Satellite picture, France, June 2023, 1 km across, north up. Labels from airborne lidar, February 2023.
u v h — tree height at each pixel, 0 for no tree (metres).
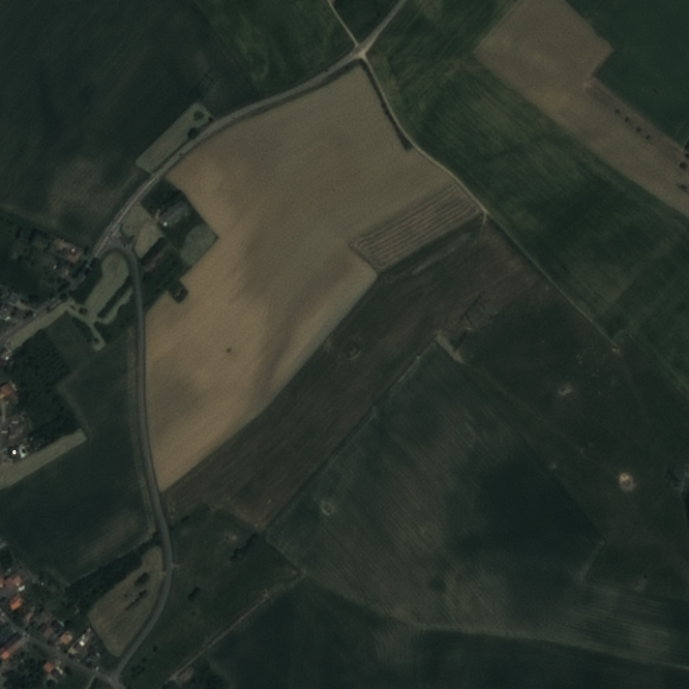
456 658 0
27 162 0
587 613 0
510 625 0
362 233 0
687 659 0
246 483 0
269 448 0
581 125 0
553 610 0
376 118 0
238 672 0
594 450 0
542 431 0
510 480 0
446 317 0
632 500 0
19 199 0
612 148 0
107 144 0
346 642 0
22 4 0
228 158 0
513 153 0
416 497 0
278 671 0
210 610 0
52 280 11
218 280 0
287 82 0
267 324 0
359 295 0
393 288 0
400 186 0
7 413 0
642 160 0
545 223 0
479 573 0
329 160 0
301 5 0
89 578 5
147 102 0
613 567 0
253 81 0
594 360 0
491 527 0
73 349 0
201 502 0
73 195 0
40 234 12
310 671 0
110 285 0
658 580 0
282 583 0
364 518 0
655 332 0
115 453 0
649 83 0
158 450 0
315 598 0
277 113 0
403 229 0
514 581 0
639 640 0
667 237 0
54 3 0
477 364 0
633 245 0
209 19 0
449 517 0
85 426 0
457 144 0
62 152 0
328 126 0
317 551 0
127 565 9
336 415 0
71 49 0
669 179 0
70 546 0
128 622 0
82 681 0
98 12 0
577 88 0
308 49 0
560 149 0
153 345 0
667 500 0
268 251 0
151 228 0
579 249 0
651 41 0
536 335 0
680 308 0
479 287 0
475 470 0
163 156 0
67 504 0
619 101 0
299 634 0
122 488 0
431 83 0
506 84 0
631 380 0
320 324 0
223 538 0
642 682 0
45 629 0
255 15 0
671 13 0
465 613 0
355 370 0
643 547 0
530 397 0
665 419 0
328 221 0
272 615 0
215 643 0
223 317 0
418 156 0
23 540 0
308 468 0
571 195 0
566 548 0
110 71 0
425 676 0
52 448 0
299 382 0
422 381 0
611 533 0
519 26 0
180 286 0
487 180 0
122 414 0
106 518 0
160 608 0
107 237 0
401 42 0
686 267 0
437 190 0
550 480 0
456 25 0
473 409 0
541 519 0
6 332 0
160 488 0
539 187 0
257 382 0
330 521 0
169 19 0
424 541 0
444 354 0
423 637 0
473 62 0
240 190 0
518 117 0
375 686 0
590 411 0
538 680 0
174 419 0
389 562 0
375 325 0
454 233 0
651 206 0
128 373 0
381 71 0
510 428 0
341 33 0
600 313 0
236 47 0
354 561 0
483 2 0
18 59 0
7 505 0
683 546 0
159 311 0
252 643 0
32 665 7
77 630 0
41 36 0
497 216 0
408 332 0
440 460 0
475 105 0
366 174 0
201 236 0
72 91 0
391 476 0
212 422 0
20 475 0
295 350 0
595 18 0
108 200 0
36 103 0
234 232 0
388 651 0
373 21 0
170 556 0
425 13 0
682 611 0
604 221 0
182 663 0
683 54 0
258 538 8
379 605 0
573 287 0
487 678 0
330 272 0
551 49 0
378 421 0
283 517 0
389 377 0
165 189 0
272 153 0
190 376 0
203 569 0
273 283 0
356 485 0
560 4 0
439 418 0
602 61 0
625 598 0
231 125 0
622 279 0
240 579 0
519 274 0
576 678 0
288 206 0
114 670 0
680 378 0
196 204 0
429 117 0
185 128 0
